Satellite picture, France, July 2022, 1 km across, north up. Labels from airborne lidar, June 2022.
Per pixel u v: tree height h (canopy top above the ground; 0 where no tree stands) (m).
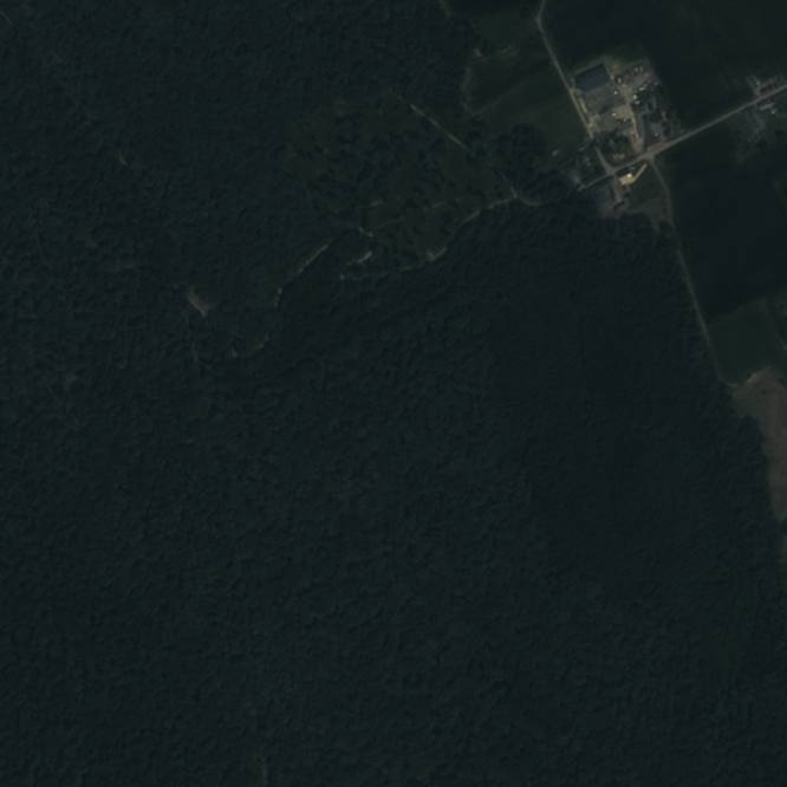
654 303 11
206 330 18
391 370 22
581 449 8
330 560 24
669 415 15
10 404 29
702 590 7
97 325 23
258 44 24
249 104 23
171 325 21
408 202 0
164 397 21
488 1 0
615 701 16
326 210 23
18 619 24
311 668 21
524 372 8
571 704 23
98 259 18
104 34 23
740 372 0
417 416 25
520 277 6
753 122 0
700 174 0
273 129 18
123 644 28
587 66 0
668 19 0
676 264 15
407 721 24
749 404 0
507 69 0
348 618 21
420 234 22
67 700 27
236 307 17
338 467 14
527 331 10
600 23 0
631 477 13
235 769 24
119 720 25
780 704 25
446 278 15
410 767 23
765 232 0
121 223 24
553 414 11
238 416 21
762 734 22
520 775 29
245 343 22
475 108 0
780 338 0
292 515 24
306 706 21
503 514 21
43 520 28
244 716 23
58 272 22
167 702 24
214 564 23
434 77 24
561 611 26
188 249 20
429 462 28
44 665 24
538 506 9
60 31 15
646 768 26
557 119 0
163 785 26
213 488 17
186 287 16
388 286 14
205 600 22
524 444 7
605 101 0
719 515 10
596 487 9
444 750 23
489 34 0
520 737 27
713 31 0
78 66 17
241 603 20
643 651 11
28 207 7
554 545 10
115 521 23
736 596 6
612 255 24
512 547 20
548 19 0
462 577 23
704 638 10
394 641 23
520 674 30
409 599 23
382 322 18
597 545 7
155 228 22
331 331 12
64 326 29
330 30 24
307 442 24
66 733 25
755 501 24
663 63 0
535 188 23
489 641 21
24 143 21
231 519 14
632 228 24
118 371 22
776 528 18
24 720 31
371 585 22
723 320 0
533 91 0
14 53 19
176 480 21
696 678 9
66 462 29
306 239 16
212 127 18
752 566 10
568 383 8
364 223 22
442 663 25
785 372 0
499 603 25
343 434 21
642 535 8
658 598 8
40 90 16
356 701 24
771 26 0
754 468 32
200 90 19
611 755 28
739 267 0
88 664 25
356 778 25
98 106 20
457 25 27
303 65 24
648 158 0
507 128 0
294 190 19
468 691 23
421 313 22
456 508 24
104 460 25
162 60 23
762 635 10
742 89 0
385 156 27
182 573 19
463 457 24
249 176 25
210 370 17
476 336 24
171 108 22
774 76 0
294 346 16
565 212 26
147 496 19
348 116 0
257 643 21
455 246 14
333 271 20
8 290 25
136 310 21
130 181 17
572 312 6
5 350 27
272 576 20
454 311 22
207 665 22
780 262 0
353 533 24
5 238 25
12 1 18
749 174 0
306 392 24
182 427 21
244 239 18
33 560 28
